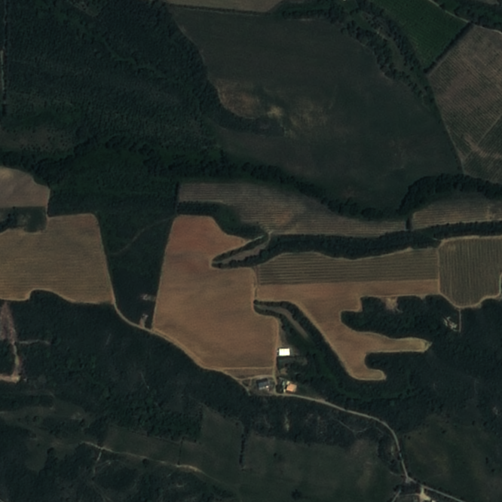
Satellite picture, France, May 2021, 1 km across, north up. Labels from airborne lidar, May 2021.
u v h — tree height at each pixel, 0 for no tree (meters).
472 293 0
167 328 0
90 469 6
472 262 0
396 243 6
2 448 6
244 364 0
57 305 7
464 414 0
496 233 12
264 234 0
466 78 0
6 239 0
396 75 15
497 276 0
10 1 8
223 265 13
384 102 0
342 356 0
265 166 13
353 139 0
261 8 0
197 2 0
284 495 0
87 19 6
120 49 9
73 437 0
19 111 7
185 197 0
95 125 9
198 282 0
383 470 0
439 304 6
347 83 0
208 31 0
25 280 0
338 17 11
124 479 7
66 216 0
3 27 6
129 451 0
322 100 0
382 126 0
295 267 0
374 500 0
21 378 5
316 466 0
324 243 12
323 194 14
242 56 0
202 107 9
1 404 8
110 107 6
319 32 0
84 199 7
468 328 6
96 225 0
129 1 7
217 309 0
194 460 0
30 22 7
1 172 0
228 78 0
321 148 0
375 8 8
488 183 16
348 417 6
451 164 0
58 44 6
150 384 7
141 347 5
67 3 8
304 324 12
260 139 0
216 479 0
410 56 10
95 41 12
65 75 8
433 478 0
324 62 0
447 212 0
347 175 0
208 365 0
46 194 0
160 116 9
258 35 0
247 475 0
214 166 14
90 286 0
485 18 16
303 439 12
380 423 7
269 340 0
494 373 6
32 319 6
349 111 0
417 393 11
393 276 0
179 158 13
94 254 0
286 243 7
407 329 8
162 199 7
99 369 6
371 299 9
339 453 0
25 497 6
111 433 0
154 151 17
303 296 0
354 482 0
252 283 0
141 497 12
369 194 0
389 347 0
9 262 0
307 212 0
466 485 0
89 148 23
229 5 0
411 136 0
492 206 0
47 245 0
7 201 0
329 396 7
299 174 0
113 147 15
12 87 6
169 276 0
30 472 6
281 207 0
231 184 0
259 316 0
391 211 7
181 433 8
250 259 12
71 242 0
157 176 15
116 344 8
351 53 0
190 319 0
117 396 6
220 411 11
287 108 0
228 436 0
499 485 0
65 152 6
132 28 7
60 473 7
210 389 10
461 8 13
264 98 0
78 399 6
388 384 6
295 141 0
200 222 0
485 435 0
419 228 0
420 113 0
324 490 0
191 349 0
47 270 0
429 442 0
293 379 6
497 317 6
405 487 17
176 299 0
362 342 0
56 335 7
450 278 0
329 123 0
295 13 9
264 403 9
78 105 8
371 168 0
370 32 13
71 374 13
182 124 7
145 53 8
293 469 0
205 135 6
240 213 0
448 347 6
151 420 8
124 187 7
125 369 6
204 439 0
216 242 0
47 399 7
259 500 0
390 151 0
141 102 9
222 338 0
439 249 0
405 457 11
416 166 0
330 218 0
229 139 0
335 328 0
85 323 6
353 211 18
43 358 6
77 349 5
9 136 0
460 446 0
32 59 6
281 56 0
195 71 10
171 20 11
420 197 18
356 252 7
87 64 6
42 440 0
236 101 0
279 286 0
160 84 9
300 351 0
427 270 0
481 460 0
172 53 5
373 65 0
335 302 0
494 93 0
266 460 0
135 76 7
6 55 6
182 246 0
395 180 0
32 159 7
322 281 0
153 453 0
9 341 9
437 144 0
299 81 0
